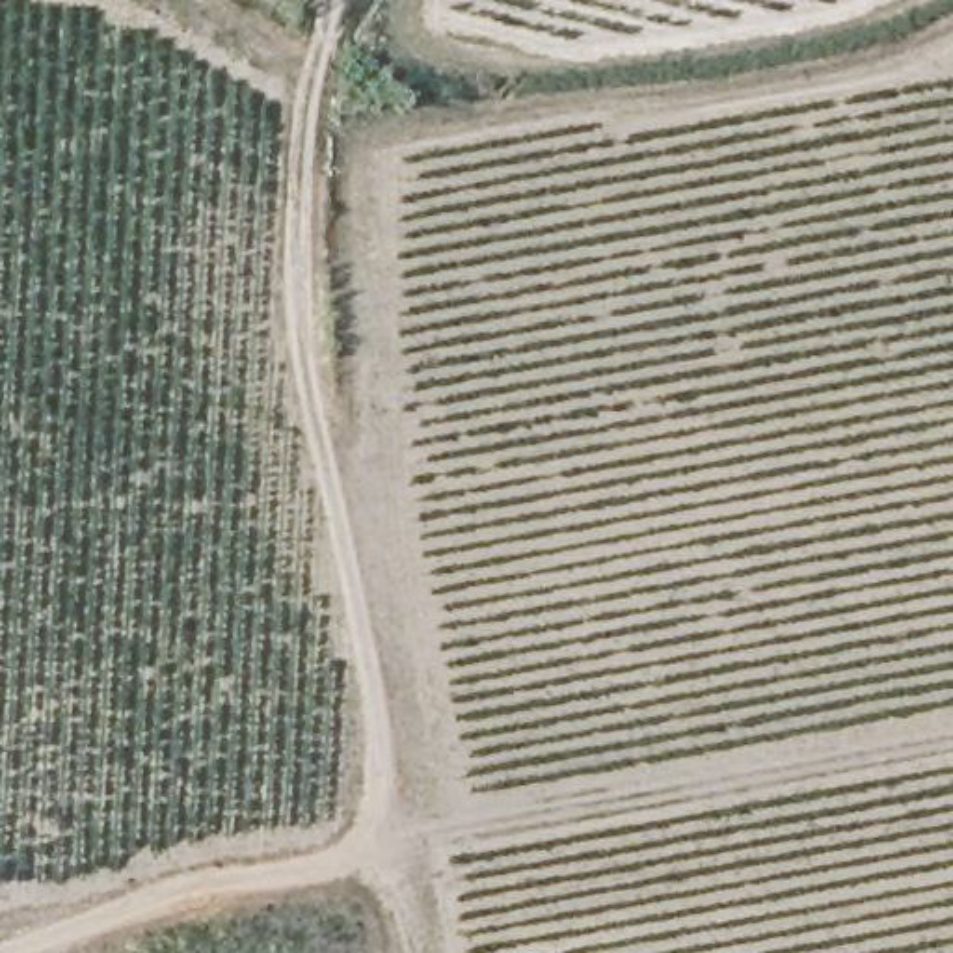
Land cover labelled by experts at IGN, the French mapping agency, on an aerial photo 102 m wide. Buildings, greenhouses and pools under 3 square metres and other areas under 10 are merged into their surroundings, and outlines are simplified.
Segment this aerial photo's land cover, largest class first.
<instances>
[{"label":"vineyard","instance_id":"1","mask_svg":"<svg viewBox=\"0 0 953 953\"><path fill-rule=\"evenodd\" d=\"M283 93L279 74L249 67L216 41L186 30L171 11H149L134 0H0V882H71L97 871H119L141 849L160 852L182 841L275 826L316 823L324 838L335 845L357 823V804L365 789V730L354 674L346 670V659H339L331 648V596L313 588V540L316 532H324V506L316 488L298 480L305 432L302 424H290L283 413L287 383H294V372L290 361L272 357V339L287 335V305L279 290L283 212L275 208L279 153L287 149L283 112L275 104V97ZM395 30L391 56L450 74H465L473 63H484L499 74H514L611 60H651L663 52H722L726 45L745 41L793 37L860 19H893L931 0H387ZM346 182L331 179V164L313 160V272L328 275L335 339V391L328 402V424L354 555L361 570L369 629L380 659L395 759V800L376 830V841L395 856V867L402 875H409L413 864H432L443 953H953V15L912 34L905 45L800 60L771 71L730 74L718 82H651L577 93L495 97L477 104L462 101L458 112L424 104H413L409 112L395 108L387 123L357 130V141L346 160Z\"/></svg>","mask_w":953,"mask_h":953},{"label":"pervious surface","instance_id":"2","mask_svg":"<svg viewBox=\"0 0 953 953\"><path fill-rule=\"evenodd\" d=\"M346 0H316V26L298 71L294 104L283 112L287 149L279 153L275 208L283 212L279 290L287 305V335L272 339V357L290 361L294 372V383H287L283 413L290 424H302L305 432L298 480L316 488L324 506V532H316L313 540V588L331 596V648L339 659H346V670L354 674L365 730V789L357 804V823L328 852L279 864L179 875L156 886H141L130 897L97 905L82 916L19 931L15 938L0 942V953H63L115 927L153 919L175 923L171 916L182 905L216 893H272L331 879H361L376 890L383 912H391L395 919L391 934L398 942V953H443L432 864H413L409 875H402L395 867V856L376 841V830L395 800V759L380 659L369 629L361 570L354 555L328 424V402L335 391V339L328 275L313 272V160L320 89L328 63L335 56Z\"/></svg>","mask_w":953,"mask_h":953},{"label":"deciduous trees","instance_id":"3","mask_svg":"<svg viewBox=\"0 0 953 953\"><path fill-rule=\"evenodd\" d=\"M953 15V0H931L893 19H860L793 37L745 41L726 45L722 52H663L651 60H611L514 74H499L484 63H473L465 74H450L391 56L395 30L387 0H346L335 56L328 63L320 89L313 160L331 164V179L346 182V160L357 141V130L387 123L395 108L409 112L413 104H424L458 112L462 101L477 104L495 97L577 93L651 82H718L730 74L771 71L800 60L905 45L912 34Z\"/></svg>","mask_w":953,"mask_h":953},{"label":"herbaceous vegetation","instance_id":"4","mask_svg":"<svg viewBox=\"0 0 953 953\"><path fill-rule=\"evenodd\" d=\"M149 11H171L186 30L216 41L249 67L279 74L283 93L275 97V104L283 112L294 104L298 71L316 26V0H134ZM175 923L153 919L115 927L63 953H398V942L391 934L395 919L391 912H383L376 890L361 879H331L272 893H216L182 905L171 916Z\"/></svg>","mask_w":953,"mask_h":953},{"label":"plowed land","instance_id":"5","mask_svg":"<svg viewBox=\"0 0 953 953\"><path fill-rule=\"evenodd\" d=\"M335 845L324 838L316 823L275 826L182 841L160 852L141 849L119 871H97L71 882H0V942L15 938L19 931L82 916L97 905L130 897L141 886H156L179 875L279 864L328 852Z\"/></svg>","mask_w":953,"mask_h":953}]
</instances>
